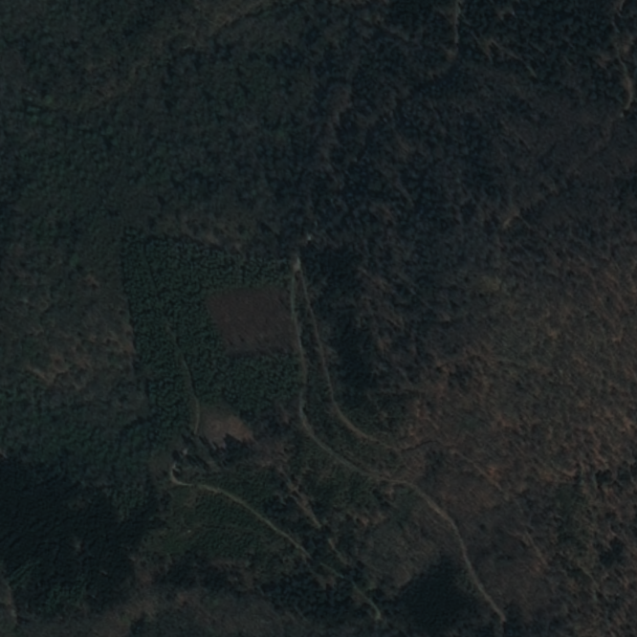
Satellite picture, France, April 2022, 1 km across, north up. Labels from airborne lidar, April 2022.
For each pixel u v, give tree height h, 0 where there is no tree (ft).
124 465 23
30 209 23
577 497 23
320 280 25
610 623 68
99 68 22
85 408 50
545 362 77
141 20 34
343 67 60
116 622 83
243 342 56
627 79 43
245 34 44
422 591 50
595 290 67
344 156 56
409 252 74
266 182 64
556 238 41
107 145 26
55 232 32
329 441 26
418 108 61
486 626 86
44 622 69
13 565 57
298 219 61
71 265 49
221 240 52
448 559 64
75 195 31
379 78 63
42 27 40
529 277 68
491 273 26
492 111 77
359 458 21
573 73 66
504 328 64
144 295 60
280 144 21
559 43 94
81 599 52
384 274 67
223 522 25
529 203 44
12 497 52
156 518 42
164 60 33
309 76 31
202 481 28
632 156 54
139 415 30
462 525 77
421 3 60
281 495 95
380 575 52
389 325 60
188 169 30
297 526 30
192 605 113
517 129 68
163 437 60
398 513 80
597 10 53
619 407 81
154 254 56
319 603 91
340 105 70
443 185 74
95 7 19
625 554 75
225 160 47
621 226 31
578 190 67
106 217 20
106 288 22
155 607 82
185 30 29
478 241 65
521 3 22
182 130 21
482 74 87
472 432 61
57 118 19
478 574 44
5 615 81
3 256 26
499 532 50
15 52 79
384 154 83
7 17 71
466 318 52
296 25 38
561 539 30
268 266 47
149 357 68
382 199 36
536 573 73
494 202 51
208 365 64
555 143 57
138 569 60
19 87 89
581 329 64
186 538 20
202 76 36
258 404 58
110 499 26
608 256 66
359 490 28
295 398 55
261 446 72
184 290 57
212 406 40
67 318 57
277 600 108
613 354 85
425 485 65
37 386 50
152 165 21
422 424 56
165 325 52
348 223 62
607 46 100
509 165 71
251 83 37
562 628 80
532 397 73
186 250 58
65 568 58
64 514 55
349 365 55
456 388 60
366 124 41
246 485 46
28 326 37
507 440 51
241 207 23
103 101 21
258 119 39
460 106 74
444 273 61
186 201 21
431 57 94
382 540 82
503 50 51
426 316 84
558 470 78
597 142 58
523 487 84
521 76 88
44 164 36
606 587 53
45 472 53
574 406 74
